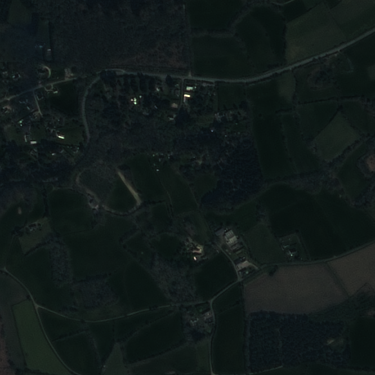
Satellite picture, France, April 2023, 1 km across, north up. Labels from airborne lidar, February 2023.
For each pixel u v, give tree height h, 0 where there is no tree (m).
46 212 11
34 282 0
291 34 0
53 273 7
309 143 12
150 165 8
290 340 16
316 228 0
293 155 0
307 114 0
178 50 6
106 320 0
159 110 11
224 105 0
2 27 11
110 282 0
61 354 0
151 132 18
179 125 21
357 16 0
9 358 6
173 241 0
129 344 0
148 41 13
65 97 0
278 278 0
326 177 13
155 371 0
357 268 0
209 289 0
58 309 0
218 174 18
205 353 0
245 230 0
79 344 0
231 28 13
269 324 21
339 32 0
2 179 25
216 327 8
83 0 10
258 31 0
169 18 15
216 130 22
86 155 15
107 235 0
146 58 6
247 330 12
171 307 6
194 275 0
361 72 0
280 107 0
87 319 0
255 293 0
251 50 0
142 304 0
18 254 0
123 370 0
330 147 0
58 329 0
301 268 0
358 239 0
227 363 0
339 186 19
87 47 17
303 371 0
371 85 0
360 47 0
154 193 0
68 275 23
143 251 0
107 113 24
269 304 0
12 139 0
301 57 0
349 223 0
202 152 13
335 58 0
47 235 0
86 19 14
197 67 0
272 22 0
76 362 0
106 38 16
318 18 0
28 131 0
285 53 8
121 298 0
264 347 23
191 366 0
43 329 0
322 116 0
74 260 0
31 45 0
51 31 15
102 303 19
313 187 20
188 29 14
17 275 0
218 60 0
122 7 13
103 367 12
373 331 0
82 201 0
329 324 10
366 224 0
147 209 18
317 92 0
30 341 0
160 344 0
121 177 0
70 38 13
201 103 15
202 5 0
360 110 0
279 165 0
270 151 0
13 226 0
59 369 0
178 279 28
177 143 17
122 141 19
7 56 0
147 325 11
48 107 8
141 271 0
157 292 0
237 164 16
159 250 0
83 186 13
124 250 10
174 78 0
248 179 18
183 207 0
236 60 0
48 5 15
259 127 0
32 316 0
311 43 0
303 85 0
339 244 0
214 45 0
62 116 10
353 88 0
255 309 0
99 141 22
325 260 0
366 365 0
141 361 9
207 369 0
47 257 0
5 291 0
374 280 0
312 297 0
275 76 10
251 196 17
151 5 13
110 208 0
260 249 0
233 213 9
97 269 0
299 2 0
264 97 0
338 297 0
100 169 12
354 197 0
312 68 0
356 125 0
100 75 0
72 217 0
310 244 0
